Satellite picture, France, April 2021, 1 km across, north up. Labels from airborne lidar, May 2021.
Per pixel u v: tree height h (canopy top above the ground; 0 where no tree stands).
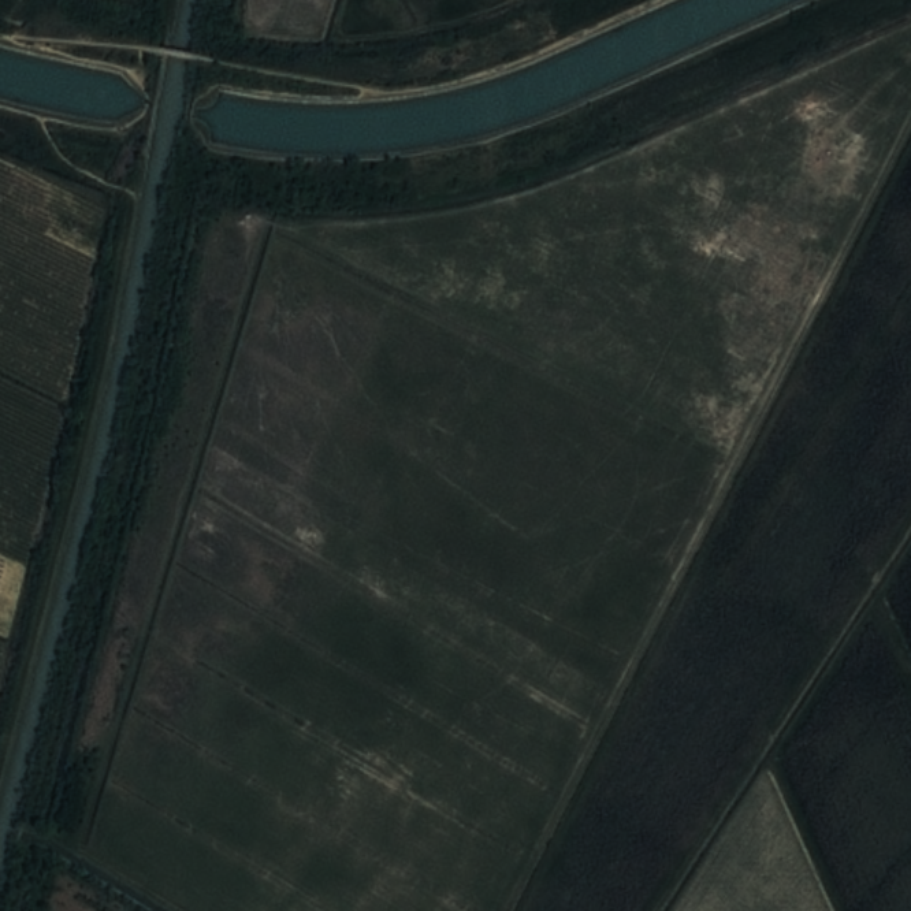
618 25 0
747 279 0
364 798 0
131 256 0
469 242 0
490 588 0
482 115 0
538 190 0
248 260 0
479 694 0
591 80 0
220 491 0
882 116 0
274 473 0
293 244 0
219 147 0
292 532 0
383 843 0
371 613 0
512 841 0
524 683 0
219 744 0
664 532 0
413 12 0
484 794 0
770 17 0
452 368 0
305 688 0
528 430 0
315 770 0
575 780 0
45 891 9
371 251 0
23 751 0
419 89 0
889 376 7
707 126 0
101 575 6
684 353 0
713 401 0
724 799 0
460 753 0
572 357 0
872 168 0
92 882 9
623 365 0
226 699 0
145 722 0
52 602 0
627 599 0
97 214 0
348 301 0
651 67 0
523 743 0
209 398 0
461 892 0
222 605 0
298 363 0
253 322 0
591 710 0
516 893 0
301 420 0
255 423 0
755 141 0
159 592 0
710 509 0
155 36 9
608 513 0
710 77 0
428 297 0
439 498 0
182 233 9
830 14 0
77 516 0
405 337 0
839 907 0
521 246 0
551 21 0
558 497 0
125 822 0
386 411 0
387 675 0
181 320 7
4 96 0
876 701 8
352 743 0
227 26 11
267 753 0
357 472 0
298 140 0
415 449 0
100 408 0
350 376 0
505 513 0
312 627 0
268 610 0
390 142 0
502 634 0
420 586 0
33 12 0
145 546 0
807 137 0
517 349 0
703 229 0
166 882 0
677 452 0
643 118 0
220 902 0
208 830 0
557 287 0
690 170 0
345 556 0
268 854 0
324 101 0
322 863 0
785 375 0
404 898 0
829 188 0
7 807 0
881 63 0
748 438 0
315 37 0
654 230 0
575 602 0
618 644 0
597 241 0
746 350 0
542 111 0
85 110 0
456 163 0
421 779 0
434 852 0
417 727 0
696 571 0
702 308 0
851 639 0
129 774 0
